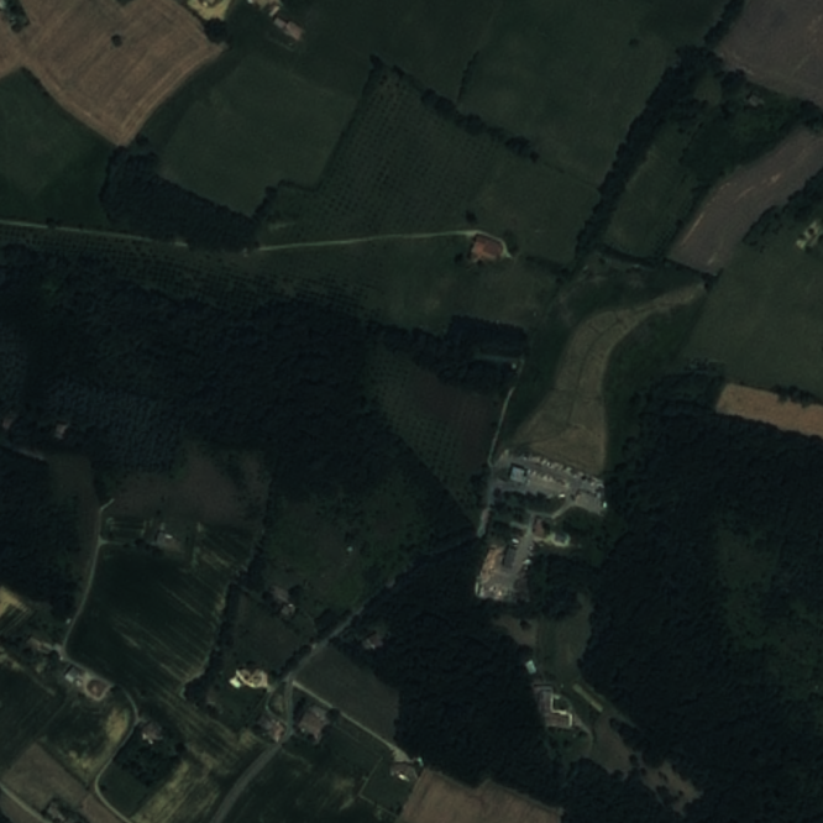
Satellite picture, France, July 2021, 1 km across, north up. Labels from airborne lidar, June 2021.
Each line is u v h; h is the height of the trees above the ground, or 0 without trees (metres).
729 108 12
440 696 14
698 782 16
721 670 22
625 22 0
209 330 7
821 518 15
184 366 16
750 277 0
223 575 0
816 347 0
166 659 0
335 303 8
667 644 25
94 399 22
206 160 0
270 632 0
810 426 0
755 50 0
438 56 0
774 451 21
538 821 0
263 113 0
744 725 22
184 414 12
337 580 0
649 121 17
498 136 8
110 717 0
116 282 16
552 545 0
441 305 0
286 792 0
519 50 0
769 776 17
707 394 6
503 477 0
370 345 7
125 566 0
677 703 27
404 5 0
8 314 17
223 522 0
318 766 0
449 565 23
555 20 0
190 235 16
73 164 0
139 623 0
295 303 11
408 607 18
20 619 0
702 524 6
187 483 0
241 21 0
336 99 0
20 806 0
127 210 19
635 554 20
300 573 0
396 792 0
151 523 0
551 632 0
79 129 0
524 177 0
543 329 0
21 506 13
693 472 11
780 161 0
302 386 30
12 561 23
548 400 0
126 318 17
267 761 0
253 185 0
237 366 21
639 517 22
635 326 0
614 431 0
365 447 15
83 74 0
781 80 0
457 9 0
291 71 0
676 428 26
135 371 6
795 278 0
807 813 8
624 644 25
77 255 8
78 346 13
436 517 10
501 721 18
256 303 8
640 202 0
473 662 20
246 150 0
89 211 0
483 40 0
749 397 0
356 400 26
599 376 0
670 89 16
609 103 0
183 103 0
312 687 0
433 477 12
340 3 0
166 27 0
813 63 0
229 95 0
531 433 0
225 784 0
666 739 21
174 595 0
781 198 0
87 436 17
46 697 0
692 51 15
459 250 0
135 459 17
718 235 0
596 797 18
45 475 14
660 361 0
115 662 0
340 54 0
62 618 14
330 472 9
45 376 16
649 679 27
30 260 14
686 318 0
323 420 31
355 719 0
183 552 0
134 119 0
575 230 0
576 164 0
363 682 0
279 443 23
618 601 22
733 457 25
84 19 0
